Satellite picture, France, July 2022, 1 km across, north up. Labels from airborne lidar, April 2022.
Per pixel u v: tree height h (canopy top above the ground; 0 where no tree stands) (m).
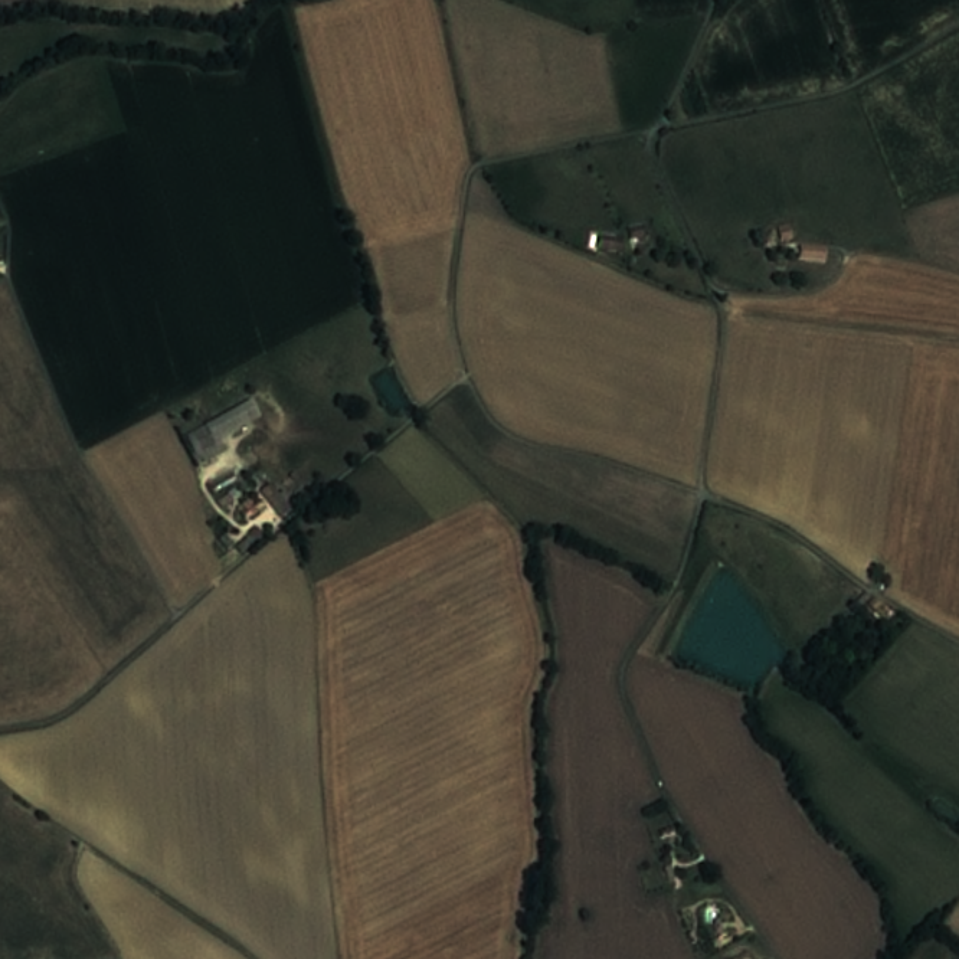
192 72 0
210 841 0
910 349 0
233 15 18
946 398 0
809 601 0
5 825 0
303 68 0
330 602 0
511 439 0
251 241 0
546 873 27
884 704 0
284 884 0
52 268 0
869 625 8
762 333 0
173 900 0
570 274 0
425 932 0
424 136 0
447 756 0
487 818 0
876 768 0
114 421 0
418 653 0
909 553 0
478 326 0
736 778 0
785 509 0
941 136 0
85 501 0
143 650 0
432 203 0
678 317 0
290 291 0
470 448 0
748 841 0
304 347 0
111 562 0
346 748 0
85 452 0
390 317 0
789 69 0
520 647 0
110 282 0
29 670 0
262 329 0
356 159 0
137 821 0
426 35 0
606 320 0
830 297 0
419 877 0
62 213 0
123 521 0
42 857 0
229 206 0
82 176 0
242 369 0
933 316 0
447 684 0
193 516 0
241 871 0
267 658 0
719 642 0
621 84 0
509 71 0
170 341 0
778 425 0
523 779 0
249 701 0
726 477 0
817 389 0
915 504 0
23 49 0
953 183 0
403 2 0
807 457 0
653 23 0
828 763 0
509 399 0
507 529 0
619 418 0
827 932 0
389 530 0
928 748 0
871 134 0
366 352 0
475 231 0
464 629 0
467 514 0
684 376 0
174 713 0
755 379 0
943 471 0
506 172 0
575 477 0
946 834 0
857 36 0
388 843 0
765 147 0
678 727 0
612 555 19
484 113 0
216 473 0
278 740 0
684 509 0
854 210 0
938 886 0
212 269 0
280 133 0
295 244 0
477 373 0
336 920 0
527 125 0
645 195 0
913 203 0
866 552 0
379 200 0
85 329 0
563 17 0
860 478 0
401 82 0
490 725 0
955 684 0
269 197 0
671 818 0
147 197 0
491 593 0
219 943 0
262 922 0
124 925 0
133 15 16
